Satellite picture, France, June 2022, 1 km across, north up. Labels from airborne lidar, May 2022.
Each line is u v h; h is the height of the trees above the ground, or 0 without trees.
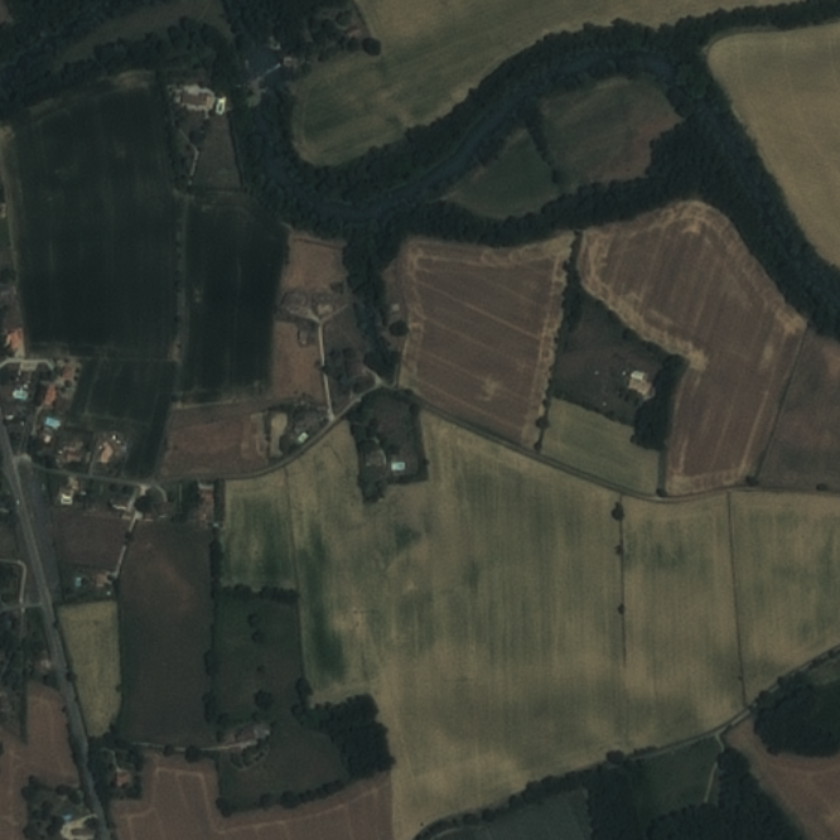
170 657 0
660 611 0
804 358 0
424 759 0
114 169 0
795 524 0
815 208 0
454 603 0
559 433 0
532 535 0
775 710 14
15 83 33
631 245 0
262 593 12
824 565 0
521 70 24
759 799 18
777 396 0
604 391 0
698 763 0
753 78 0
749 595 0
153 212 0
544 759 0
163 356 0
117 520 0
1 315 11
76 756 13
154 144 0
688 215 0
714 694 0
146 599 0
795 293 16
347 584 0
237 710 0
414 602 0
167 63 9
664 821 19
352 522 0
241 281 0
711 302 0
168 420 0
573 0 0
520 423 0
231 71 12
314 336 0
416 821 0
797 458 0
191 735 0
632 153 0
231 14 20
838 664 0
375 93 0
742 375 0
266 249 0
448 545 0
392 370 13
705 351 0
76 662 0
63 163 0
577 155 0
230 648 0
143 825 0
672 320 0
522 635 0
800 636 0
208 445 0
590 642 0
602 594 0
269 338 0
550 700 0
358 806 0
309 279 0
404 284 0
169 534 0
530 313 0
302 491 0
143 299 0
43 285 0
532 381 0
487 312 0
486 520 0
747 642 0
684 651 0
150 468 0
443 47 0
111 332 0
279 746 0
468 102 7
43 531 0
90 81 10
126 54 11
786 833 22
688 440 0
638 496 0
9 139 0
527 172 0
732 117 15
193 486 6
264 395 0
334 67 0
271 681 0
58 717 0
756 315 0
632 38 18
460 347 0
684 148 15
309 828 0
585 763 0
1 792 0
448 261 0
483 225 19
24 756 0
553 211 17
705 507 0
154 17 0
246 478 0
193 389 0
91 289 0
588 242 0
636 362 0
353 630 0
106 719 0
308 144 0
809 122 0
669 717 0
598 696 0
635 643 0
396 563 0
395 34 0
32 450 9
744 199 22
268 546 0
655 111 0
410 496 0
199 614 0
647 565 0
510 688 0
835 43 0
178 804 0
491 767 0
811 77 0
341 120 0
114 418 0
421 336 0
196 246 0
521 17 0
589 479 0
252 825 0
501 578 0
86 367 0
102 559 0
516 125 29
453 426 0
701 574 0
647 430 16
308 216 11
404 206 15
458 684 0
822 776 0
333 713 18
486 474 0
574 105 0
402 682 0
